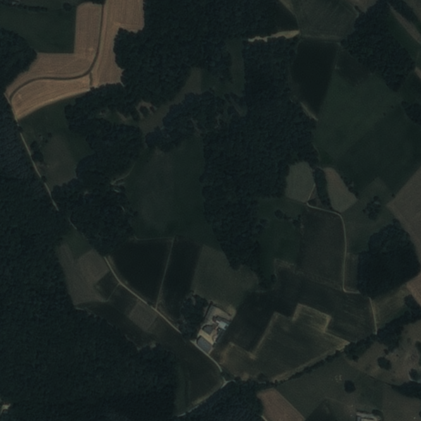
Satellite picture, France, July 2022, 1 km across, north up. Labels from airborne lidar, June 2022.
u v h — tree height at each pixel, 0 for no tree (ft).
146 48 94
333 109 0
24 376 77
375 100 0
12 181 80
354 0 0
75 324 63
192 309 67
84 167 79
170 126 99
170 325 0
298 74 0
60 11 0
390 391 0
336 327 0
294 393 0
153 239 0
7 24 0
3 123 50
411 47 0
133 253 0
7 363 74
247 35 72
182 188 0
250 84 52
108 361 87
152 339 0
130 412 68
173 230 0
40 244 87
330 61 0
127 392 71
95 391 71
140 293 0
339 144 0
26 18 0
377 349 0
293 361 0
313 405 0
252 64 37
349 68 0
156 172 0
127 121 0
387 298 0
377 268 73
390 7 67
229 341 0
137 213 25
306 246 0
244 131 78
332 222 0
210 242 0
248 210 56
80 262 0
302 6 0
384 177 0
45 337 94
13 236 84
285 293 0
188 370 0
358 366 0
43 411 34
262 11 79
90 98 68
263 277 30
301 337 0
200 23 87
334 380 0
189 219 0
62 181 0
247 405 54
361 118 0
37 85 0
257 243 75
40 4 0
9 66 65
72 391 101
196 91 0
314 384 0
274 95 63
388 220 0
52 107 0
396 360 0
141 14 0
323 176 53
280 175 52
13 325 79
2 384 82
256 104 88
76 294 0
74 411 31
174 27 73
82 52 0
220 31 81
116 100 82
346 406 0
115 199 34
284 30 0
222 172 78
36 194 57
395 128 0
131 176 0
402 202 0
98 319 54
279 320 0
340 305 0
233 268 52
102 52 0
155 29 73
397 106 0
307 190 0
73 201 58
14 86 0
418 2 0
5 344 82
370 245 52
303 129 33
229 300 0
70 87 0
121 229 85
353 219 0
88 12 0
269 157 70
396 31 0
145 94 81
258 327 0
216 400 51
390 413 0
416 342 0
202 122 82
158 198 0
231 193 61
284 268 0
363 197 0
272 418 0
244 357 0
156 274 0
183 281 0
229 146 101
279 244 0
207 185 31
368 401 0
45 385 70
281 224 0
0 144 54
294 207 0
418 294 0
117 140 81
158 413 82
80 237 0
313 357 0
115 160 84
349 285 0
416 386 55
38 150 26
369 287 58
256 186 78
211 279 0
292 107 54
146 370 108
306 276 0
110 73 0
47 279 80
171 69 85
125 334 0
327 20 0
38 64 0
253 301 0
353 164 0
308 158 53
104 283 0
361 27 83
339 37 0
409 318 56
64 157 0
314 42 0
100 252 60
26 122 0
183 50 72
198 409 21
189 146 0
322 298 0
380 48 64
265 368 0
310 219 0
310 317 0
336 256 0
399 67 38
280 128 67
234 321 0
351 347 37
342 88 0
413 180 0
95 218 80
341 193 0
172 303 0
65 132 0
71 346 74
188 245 0
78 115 59
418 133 0
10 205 96
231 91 0
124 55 69
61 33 0
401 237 81
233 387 38
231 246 61
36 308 81
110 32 0
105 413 51
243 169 72
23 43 68
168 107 0
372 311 0
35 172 34
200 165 0
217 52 79
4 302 91
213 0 50
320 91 0
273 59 71
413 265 58
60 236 41
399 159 0
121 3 0
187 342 0
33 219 86
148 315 0
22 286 92
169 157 0
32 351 90
